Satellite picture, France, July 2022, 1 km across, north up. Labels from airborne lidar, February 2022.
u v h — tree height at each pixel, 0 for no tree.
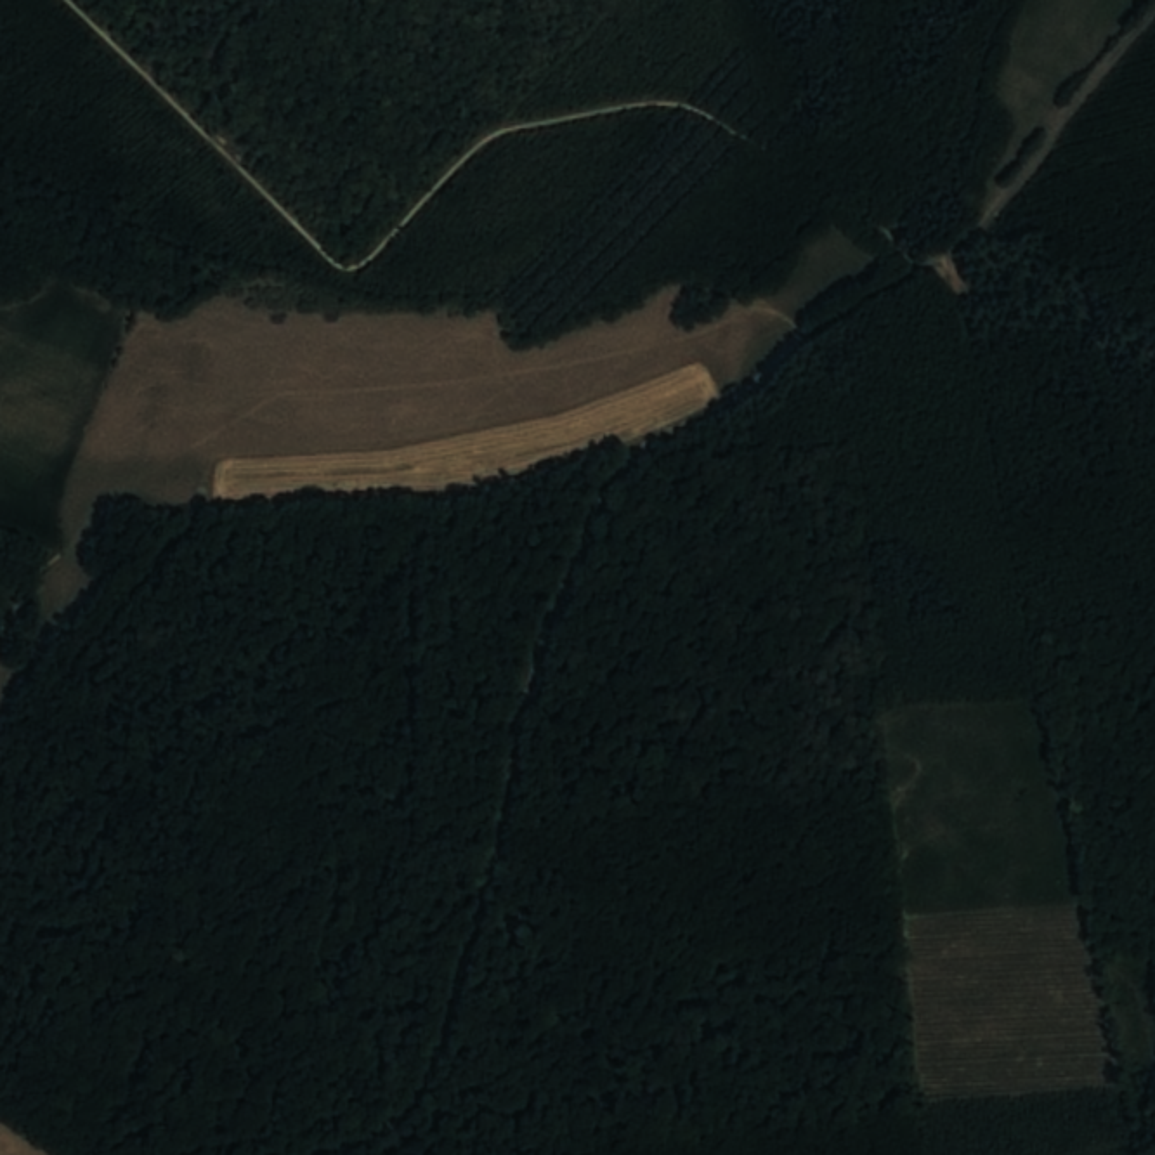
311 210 10
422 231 5
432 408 0
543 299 11
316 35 17
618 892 21
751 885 20
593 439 0
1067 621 12
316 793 22
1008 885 0
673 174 11
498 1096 25
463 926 23
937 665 14
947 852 0
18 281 16
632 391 0
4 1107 26
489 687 25
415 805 27
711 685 24
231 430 0
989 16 17
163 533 21
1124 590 14
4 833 25
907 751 0
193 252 15
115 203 8
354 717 22
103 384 0
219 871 30
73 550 0
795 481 22
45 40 8
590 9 15
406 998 23
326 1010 22
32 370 0
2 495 0
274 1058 28
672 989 26
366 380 0
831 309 20
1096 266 8
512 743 23
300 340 0
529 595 27
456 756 32
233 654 29
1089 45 0
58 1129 26
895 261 22
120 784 26
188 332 0
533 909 28
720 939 23
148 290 21
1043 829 0
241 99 17
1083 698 21
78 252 21
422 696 24
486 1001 26
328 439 0
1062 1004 0
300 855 25
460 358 0
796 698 27
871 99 13
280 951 26
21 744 24
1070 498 18
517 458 0
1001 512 12
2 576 14
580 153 6
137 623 27
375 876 9
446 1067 20
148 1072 26
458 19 13
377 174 15
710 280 20
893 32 19
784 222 18
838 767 24
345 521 26
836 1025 29
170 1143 30
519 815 25
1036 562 11
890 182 17
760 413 27
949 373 15
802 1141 14
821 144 14
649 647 27
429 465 0
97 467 0
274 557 18
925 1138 9
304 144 9
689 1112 24
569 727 29
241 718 19
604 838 20
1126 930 23
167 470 0
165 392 0
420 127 19
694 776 32
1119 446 19
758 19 13
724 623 28
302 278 10
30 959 28
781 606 23
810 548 22
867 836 23
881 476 15
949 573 14
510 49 11
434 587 25
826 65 23
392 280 7
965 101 16
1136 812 26
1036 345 16
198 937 29
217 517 21
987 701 7
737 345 0
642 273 10
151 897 28
